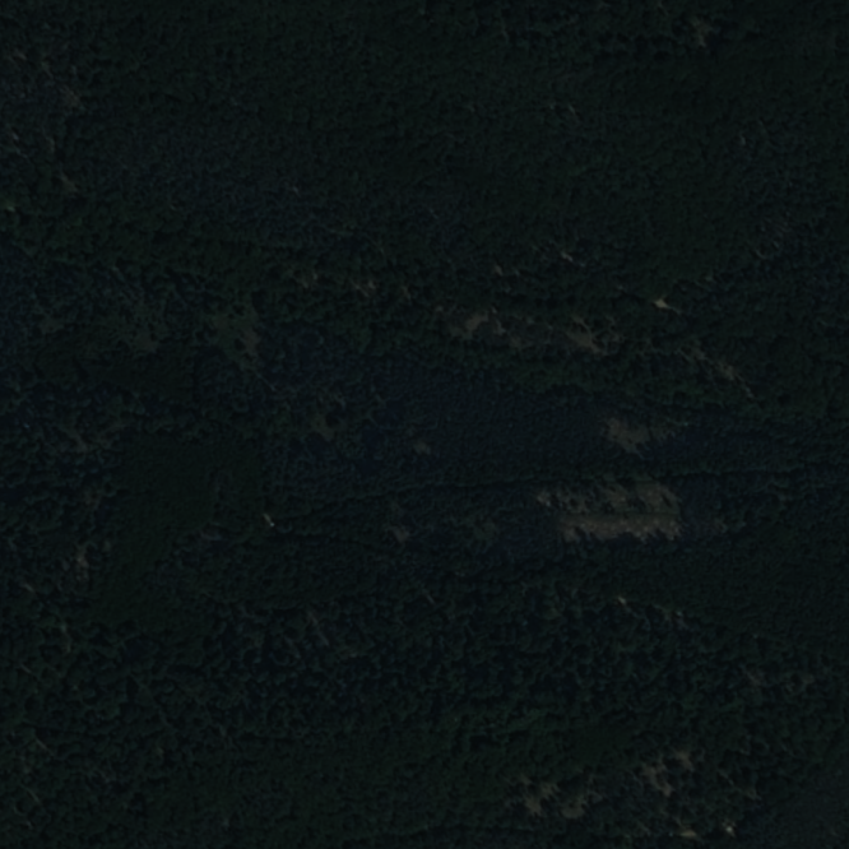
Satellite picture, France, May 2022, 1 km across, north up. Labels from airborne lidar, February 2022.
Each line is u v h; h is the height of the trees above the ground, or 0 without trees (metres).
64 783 32
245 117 25
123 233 32
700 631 21
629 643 33
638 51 16
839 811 21
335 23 21
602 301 28
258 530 25
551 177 25
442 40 21
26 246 26
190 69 25
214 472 26
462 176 26
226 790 22
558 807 27
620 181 28
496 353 24
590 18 29
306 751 20
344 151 25
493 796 14
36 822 28
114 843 26
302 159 26
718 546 24
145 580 27
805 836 22
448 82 23
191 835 32
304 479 38
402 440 25
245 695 0
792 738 28
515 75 16
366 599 26
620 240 27
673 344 29
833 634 21
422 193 25
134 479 17
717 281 22
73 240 29
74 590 30
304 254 23
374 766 26
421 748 26
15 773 29
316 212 29
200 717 34
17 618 29
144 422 33
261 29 24
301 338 26
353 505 24
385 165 32
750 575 21
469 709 10
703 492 29
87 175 25
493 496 26
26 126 26
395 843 21
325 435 0
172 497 16
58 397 41
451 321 7
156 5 24
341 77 23
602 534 0
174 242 32
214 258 30
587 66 16
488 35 23
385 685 24
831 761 25
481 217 25
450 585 33
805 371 25
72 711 33
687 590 22
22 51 23
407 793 27
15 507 33
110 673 36
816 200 21
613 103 23
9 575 36
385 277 28
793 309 34
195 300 8
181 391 13
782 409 24
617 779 9
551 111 22
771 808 23
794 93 28
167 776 28
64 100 25
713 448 26
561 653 35
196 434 16
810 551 19
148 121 27
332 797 24
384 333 27
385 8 22
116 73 24
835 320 31
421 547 23
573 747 23
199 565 28
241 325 0
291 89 21
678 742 30
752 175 29
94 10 23
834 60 26
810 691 7
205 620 21
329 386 28
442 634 36
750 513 29
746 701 26
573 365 25
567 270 32
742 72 26
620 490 0
